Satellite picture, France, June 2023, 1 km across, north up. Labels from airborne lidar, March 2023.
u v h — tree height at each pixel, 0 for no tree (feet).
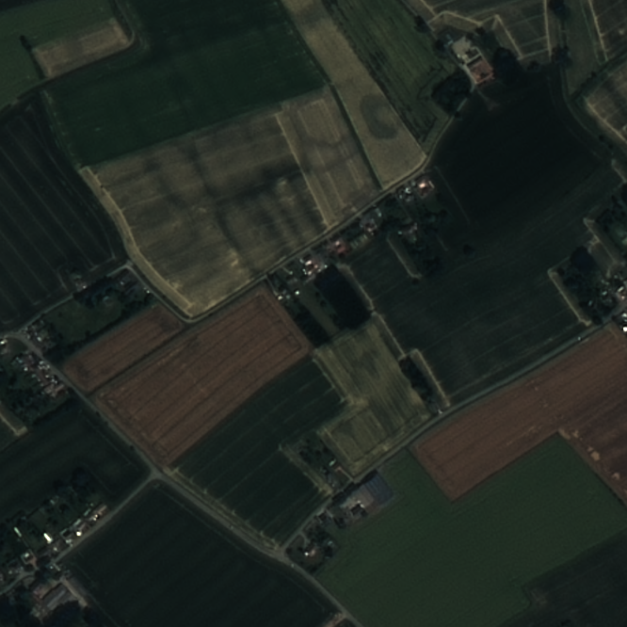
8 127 0
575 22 0
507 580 0
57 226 0
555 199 0
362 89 0
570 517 0
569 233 0
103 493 0
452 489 0
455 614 0
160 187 0
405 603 0
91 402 0
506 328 0
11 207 0
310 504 0
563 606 0
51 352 34
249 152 0
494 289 0
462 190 0
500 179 0
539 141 0
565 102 0
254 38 0
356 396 0
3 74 0
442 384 0
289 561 0
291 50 0
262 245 0
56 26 0
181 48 0
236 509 0
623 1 0
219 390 0
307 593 0
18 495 0
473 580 0
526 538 0
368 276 0
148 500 0
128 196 0
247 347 0
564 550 0
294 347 0
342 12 0
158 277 0
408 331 0
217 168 0
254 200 0
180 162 0
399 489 0
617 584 0
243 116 0
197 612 0
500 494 0
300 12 0
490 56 0
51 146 0
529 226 0
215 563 0
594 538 0
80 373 0
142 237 0
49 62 0
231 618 0
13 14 0
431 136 0
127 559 0
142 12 0
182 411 0
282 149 0
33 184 0
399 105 0
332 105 0
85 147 0
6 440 0
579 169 0
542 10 0
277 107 0
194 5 0
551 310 0
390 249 0
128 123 0
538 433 0
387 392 0
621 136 0
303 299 0
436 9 0
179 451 0
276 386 0
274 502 0
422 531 0
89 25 0
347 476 0
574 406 0
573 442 0
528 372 0
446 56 0
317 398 0
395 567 0
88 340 25
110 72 0
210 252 0
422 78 0
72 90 0
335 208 0
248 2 0
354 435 0
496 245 0
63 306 0
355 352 0
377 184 0
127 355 0
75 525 0
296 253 0
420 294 0
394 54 0
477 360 0
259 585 0
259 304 0
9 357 0
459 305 0
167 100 0
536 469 0
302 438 0
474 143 0
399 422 0
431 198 0
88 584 0
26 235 0
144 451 0
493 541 0
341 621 0
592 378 0
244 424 0
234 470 0
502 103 0
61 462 0
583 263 106
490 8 0
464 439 0
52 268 0
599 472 0
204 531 0
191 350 0
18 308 0
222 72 0
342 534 0
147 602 0
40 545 0
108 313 0
